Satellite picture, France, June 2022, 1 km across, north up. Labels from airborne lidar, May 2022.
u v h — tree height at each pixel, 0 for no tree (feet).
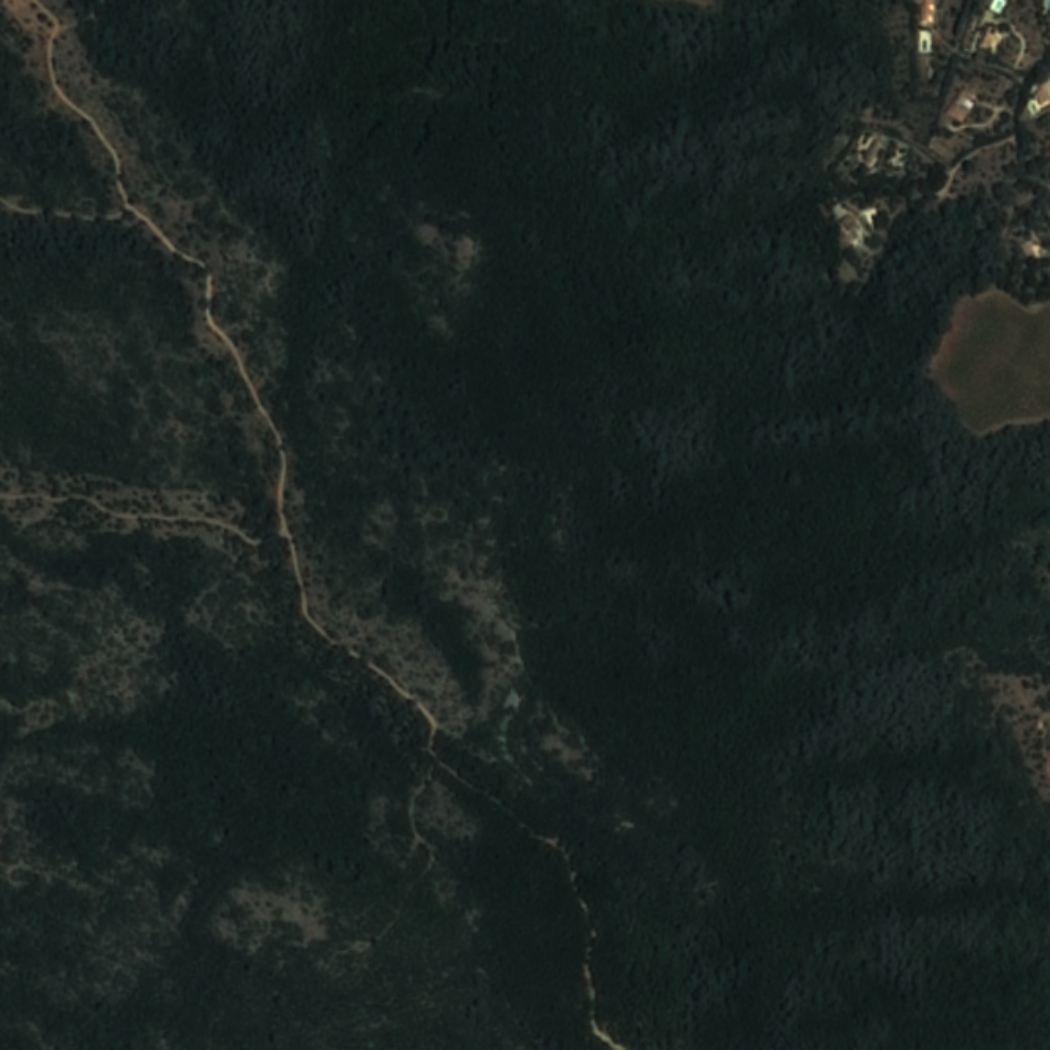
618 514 44
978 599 19
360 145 40
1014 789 33
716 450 34
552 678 34
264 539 24
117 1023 22
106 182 31
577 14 58
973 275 48
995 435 34
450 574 0
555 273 48
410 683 0
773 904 38
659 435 66
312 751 28
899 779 34
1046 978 26
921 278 55
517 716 18
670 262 34
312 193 52
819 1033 53
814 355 36
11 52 20
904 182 23
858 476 38
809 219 45
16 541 18
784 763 25
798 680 33
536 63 42
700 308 37
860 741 66
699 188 47
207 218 43
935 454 60
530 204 51
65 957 20
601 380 36
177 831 25
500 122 53
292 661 18
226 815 23
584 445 43
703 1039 37
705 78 53
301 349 30
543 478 60
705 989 55
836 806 59
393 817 20
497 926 23
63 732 22
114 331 0
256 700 25
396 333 24
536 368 43
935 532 26
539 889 37
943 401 59
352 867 39
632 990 36
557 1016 26
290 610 22
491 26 51
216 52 32
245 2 65
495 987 21
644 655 48
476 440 22
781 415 33
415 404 20
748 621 43
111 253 46
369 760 31
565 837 36
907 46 20
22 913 17
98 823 19
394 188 44
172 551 18
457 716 0
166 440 0
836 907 26
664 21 76
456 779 26
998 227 63
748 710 48
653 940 33
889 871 76
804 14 38
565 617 28
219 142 62
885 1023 63
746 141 69
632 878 28
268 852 21
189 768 19
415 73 17
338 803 28
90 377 0
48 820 23
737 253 59
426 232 0
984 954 59
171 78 32
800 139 31
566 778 20
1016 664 18
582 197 47
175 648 19
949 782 29
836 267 46
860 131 46
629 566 70
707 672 51
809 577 43
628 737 34
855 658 59
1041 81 48
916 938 49
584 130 29
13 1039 19
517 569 26
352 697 25
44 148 19
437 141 51
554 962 23
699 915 30
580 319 48
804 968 76
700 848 41
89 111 0
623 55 35
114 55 42
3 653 40
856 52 51
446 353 21
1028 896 33
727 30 48
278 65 28
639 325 41
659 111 44
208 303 41
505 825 35
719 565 35
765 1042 49
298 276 35
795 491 42
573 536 24
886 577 31
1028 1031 42
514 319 31
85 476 19
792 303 52
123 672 0
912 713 76
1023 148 31
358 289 22
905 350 36
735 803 46
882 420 58
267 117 46
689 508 41
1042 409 0
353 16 53
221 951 18
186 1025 22
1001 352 0
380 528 32
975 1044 30
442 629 27
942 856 65
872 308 46
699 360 31
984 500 22
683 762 40
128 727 18
